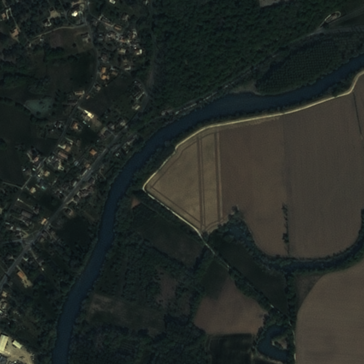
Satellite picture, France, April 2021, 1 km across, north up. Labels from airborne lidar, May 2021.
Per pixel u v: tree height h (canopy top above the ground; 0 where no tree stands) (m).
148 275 11
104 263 8
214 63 20
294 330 13
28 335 0
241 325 0
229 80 15
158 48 25
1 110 0
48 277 0
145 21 22
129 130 13
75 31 0
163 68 23
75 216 0
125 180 0
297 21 19
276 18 15
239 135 0
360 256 24
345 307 0
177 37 18
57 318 6
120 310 0
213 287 0
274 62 9
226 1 17
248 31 18
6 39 16
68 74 0
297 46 17
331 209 0
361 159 0
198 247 0
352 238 0
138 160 0
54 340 13
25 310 29
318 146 0
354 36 28
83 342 28
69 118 0
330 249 0
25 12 11
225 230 8
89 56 9
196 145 0
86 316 14
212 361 0
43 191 0
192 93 20
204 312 0
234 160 0
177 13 22
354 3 0
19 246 13
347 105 0
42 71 0
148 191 0
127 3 18
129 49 7
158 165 21
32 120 12
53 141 0
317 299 0
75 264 19
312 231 0
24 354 0
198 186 0
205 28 14
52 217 0
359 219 0
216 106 0
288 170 0
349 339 0
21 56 15
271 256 0
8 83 16
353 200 0
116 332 24
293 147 0
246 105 0
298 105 14
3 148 16
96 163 0
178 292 8
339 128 0
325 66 27
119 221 12
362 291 0
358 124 0
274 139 0
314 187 0
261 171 0
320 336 0
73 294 0
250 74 14
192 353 26
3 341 0
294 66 27
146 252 20
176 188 0
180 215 0
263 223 0
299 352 0
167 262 20
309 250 0
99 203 19
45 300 0
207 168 0
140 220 9
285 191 0
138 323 0
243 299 0
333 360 0
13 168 0
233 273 20
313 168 0
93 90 0
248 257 0
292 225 0
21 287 0
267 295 0
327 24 12
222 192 0
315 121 0
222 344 0
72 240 0
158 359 19
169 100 26
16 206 0
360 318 0
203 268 23
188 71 15
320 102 0
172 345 25
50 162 0
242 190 0
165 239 0
